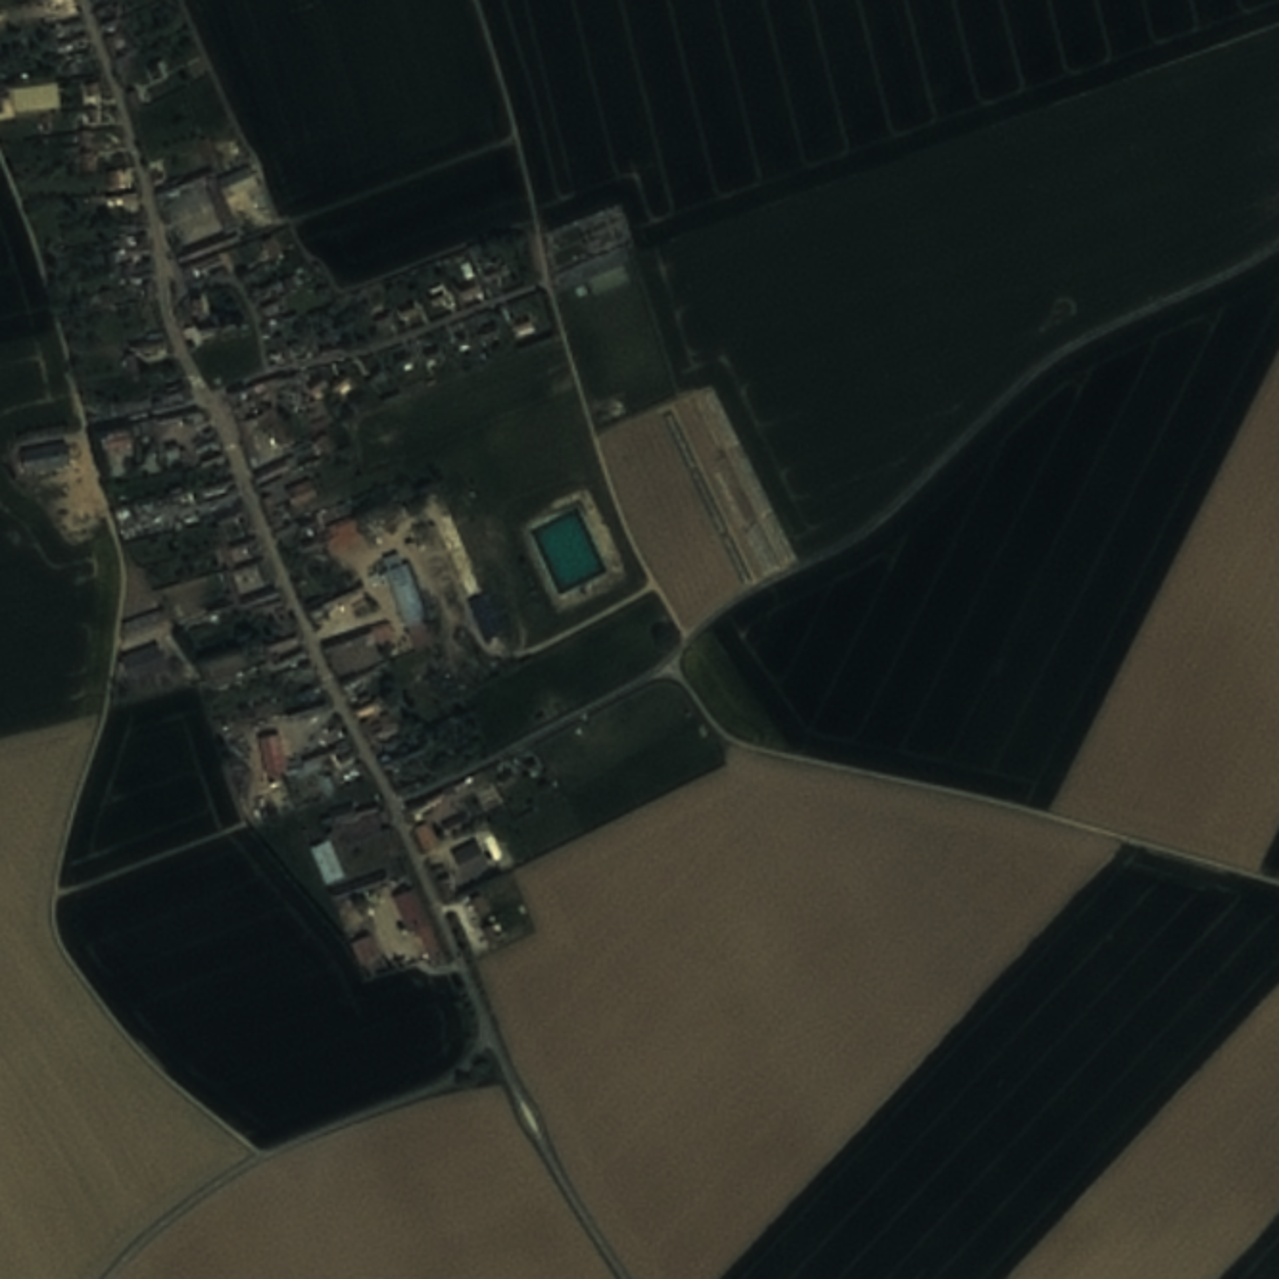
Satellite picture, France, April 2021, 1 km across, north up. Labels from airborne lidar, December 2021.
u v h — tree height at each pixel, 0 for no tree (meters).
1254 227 0
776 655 0
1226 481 0
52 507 0
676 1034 0
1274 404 0
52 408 0
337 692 0
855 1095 0
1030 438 0
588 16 0
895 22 0
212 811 0
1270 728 0
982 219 0
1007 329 0
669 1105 0
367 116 0
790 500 0
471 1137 0
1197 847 0
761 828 0
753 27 0
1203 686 0
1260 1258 0
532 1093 0
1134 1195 0
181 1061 0
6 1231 0
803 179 0
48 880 0
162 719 0
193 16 0
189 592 0
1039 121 0
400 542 0
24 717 0
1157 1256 0
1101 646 0
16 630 0
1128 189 0
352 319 13
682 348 0
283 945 0
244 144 0
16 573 0
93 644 0
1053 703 0
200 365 0
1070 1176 0
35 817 0
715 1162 0
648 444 0
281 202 0
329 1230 0
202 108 0
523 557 0
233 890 0
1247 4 0
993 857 0
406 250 0
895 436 0
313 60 0
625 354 0
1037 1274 0
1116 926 0
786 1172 0
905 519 0
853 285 0
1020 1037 0
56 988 0
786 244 0
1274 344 0
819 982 0
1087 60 0
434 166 0
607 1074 0
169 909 0
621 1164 0
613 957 0
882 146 0
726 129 0
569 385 0
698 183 0
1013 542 0
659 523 0
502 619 13
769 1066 0
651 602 0
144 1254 0
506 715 0
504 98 0
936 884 0
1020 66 0
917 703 0
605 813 0
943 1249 0
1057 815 0
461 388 0
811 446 0
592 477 0
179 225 0
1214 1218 0
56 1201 0
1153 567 0
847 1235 0
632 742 0
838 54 0
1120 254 0
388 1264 0
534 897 0
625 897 0
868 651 0
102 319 15
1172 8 0
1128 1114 0
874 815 0
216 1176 0
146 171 6
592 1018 0
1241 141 0
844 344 0
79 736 0
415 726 10
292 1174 0
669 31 0
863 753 0
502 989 0
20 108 0
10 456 0
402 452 0
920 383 0
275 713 0
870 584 0
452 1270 0
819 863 0
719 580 0
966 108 0
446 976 0
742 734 0
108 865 0
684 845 0
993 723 0
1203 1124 0
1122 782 0
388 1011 0
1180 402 0
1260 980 0
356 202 0
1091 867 0
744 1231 0
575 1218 0
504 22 0
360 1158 0
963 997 0
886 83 0
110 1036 0
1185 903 0
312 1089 0
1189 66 0
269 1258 0
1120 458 0
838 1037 0
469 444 0
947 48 0
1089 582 0
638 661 0
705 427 0
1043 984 0
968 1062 0
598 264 0
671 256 0
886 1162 0
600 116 0
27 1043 0
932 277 0
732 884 0
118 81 7
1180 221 0
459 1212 0
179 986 0
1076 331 0
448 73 0
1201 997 0
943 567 0
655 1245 0
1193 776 0
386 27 0
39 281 0
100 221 9
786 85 0
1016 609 0
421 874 0
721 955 0
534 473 0
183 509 0
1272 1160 0
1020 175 0
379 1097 0
